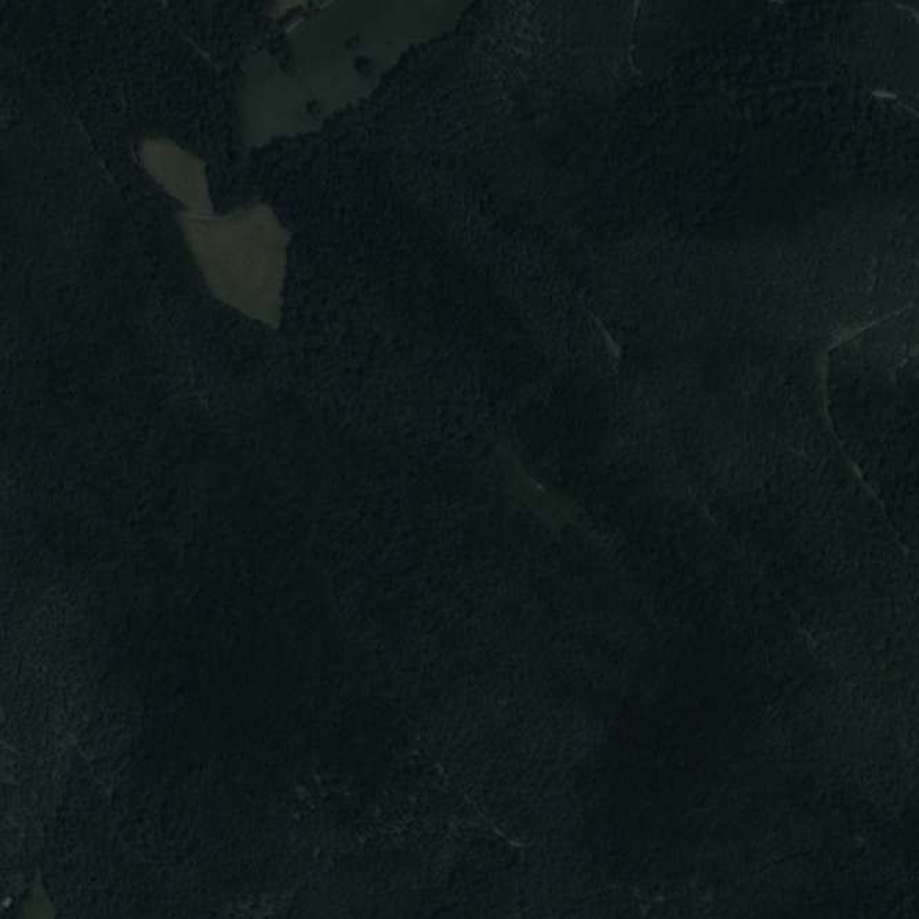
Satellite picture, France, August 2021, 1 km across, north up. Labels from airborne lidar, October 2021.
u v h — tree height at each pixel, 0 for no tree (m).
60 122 13
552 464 12
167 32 18
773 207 22
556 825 7
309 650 18
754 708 15
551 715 7
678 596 19
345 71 0
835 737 11
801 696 12
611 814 15
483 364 24
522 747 7
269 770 18
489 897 14
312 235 21
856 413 19
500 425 15
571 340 22
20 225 17
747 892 13
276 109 0
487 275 23
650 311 17
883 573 16
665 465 12
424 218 23
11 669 8
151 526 21
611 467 13
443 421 16
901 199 12
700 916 14
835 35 17
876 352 8
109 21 17
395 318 14
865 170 21
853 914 16
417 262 21
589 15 14
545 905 15
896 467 25
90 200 14
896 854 19
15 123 15
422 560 14
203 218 0
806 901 15
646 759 25
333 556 11
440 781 13
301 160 20
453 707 11
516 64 11
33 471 15
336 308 15
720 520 17
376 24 0
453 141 19
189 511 19
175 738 23
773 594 17
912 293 7
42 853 13
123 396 20
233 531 13
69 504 16
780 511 18
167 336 12
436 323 15
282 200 21
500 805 11
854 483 13
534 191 16
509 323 22
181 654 27
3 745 8
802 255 11
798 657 14
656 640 11
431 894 21
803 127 23
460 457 13
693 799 12
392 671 13
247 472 17
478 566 15
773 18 18
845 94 21
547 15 12
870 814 14
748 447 8
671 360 12
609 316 17
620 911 9
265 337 18
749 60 22
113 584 17
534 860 13
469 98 18
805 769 10
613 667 14
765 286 12
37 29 22
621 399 12
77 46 23
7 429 15
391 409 17
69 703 10
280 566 21
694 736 22
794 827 15
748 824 10
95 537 19
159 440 23
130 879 13
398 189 22
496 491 10
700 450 16
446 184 20
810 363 15
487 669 13
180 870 19
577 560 10
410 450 16
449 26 0
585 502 10
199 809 13
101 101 19
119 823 6
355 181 26
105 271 18
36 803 7
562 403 21
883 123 21
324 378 13
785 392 12
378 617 19
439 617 14
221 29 21
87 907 14
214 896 17
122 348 21
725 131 25
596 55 11
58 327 18
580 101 15
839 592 19
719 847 11
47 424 18
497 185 20
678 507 17
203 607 21
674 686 21
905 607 13
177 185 0
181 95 22
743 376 14
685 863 11
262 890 15
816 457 12
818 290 7
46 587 15
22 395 17
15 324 16
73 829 15
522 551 15
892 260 13
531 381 21
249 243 0
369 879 15
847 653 10
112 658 15
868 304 8
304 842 12
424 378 20
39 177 16
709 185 23
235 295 0
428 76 22
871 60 15
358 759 21
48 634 10
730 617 18
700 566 22
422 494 14
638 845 17
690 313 17
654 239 16
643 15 11
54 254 14
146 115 17
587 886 14
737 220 23
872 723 7
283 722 18
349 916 14
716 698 15
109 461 15
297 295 21
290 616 16
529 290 24
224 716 24
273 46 14
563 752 10
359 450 17
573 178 18
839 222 17
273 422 12
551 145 18
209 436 20
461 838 7
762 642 15
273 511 21
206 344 17
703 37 26
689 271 22
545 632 13
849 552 10
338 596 13
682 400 12
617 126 23
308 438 17
